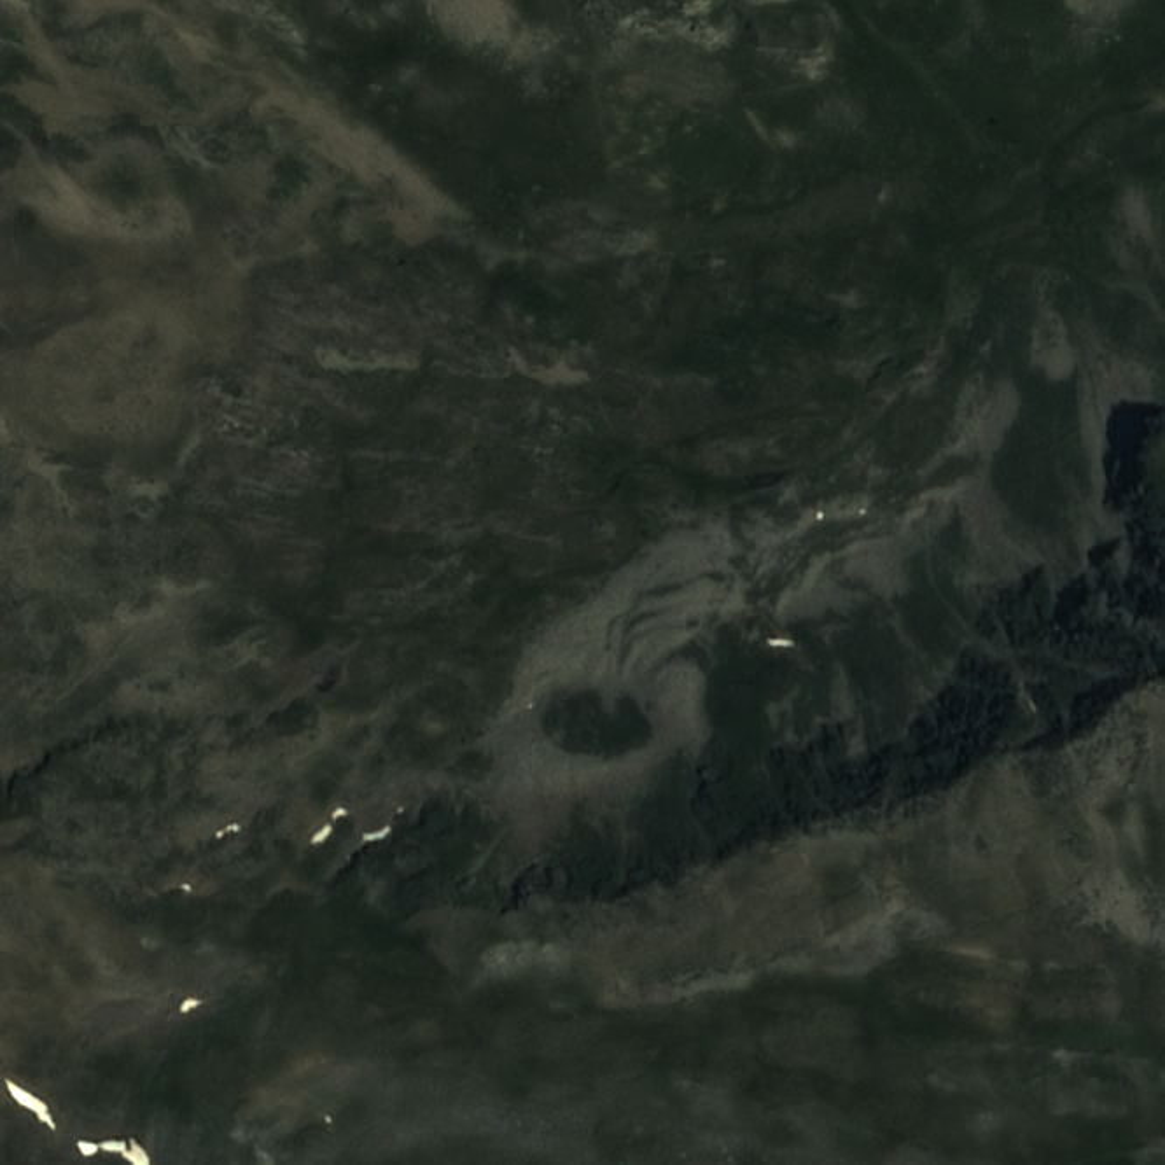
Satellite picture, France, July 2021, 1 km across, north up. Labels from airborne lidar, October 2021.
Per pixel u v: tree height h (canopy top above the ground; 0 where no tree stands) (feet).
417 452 0
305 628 0
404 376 0
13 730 0
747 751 0
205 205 0
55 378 0
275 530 0
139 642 0
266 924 0
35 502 0
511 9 0
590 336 0
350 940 0
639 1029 0
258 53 0
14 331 0
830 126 0
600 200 0
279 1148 0
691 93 0
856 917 0
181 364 0
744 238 0
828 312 0
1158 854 0
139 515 0
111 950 0
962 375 0
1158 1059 0
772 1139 0
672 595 0
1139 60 0
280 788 0
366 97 0
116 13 0
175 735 0
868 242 0
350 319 0
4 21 0
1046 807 0
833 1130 0
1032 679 0
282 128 0
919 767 0
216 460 0
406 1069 0
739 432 0
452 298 0
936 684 0
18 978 0
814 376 0
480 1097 0
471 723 0
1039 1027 0
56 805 0
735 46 0
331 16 0
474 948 0
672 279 0
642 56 0
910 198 0
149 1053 0
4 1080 0
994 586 0
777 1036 0
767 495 0
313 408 0
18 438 0
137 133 0
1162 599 22
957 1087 0
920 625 0
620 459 0
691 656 0
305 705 0
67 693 0
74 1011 0
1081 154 0
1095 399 0
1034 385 0
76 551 0
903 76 0
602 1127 0
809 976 0
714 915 0
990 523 0
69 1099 0
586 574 0
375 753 0
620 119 0
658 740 0
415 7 0
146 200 0
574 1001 0
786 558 0
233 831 0
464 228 0
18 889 0
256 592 0
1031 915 0
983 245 0
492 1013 0
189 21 0
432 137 0
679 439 0
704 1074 0
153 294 0
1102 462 0
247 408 0
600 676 0
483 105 0
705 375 0
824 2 0
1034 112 0
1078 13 0
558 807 0
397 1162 0
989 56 0
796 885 0
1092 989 0
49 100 0
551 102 0
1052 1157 0
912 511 0
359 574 0
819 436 0
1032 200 0
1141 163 0
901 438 0
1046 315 0
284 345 0
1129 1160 0
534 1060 0
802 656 0
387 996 0
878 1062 0
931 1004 0
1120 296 0
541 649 0
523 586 0
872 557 0
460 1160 0
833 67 0
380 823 0
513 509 0
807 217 0
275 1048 0
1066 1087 0
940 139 0
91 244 0
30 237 0
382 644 0
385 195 0
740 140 0
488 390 0
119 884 0
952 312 0
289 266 0
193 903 0
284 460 0
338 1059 0
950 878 0
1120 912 0
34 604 0
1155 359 0
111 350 0
